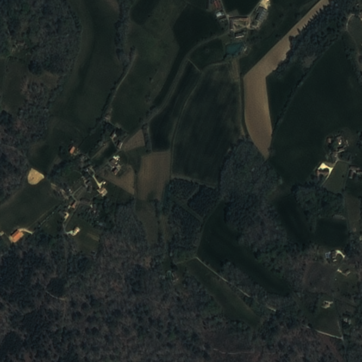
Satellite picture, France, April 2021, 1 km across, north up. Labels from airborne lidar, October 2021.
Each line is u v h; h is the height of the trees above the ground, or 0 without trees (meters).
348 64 0
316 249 19
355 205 0
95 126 7
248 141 22
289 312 11
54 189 0
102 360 18
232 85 0
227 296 0
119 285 17
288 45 0
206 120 0
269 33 0
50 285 8
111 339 21
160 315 8
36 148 0
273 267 10
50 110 11
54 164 0
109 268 18
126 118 0
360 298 13
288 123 0
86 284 23
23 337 10
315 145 0
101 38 0
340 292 16
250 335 16
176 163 0
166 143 0
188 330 23
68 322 12
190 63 0
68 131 0
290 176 0
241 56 14
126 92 0
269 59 0
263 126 0
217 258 0
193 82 0
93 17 0
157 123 0
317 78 0
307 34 12
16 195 0
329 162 0
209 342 0
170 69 0
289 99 11
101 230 13
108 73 0
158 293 17
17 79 0
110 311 14
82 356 14
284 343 10
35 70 26
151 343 12
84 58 0
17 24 25
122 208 25
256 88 0
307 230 0
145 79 0
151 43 0
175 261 21
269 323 7
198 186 14
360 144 10
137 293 16
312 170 0
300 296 16
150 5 0
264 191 16
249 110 0
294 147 0
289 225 0
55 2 22
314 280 0
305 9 0
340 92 0
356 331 9
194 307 8
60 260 11
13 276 18
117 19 0
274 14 0
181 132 0
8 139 7
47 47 22
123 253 18
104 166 0
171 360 17
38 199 0
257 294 8
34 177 0
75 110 0
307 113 0
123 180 0
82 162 7
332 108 0
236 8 0
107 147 0
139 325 20
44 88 18
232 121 0
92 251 0
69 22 20
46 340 21
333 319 0
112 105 0
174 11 0
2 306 13
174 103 0
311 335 8
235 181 24
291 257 25
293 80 0
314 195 24
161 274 15
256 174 24
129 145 0
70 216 0
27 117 23
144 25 0
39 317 8
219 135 0
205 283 0
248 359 0
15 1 24
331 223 0
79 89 0
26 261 17
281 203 0
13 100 0
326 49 9
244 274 14
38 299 11
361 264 10
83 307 12
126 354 17
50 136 0
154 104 0
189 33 0
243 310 0
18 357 14
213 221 0
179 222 7
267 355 15
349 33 0
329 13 8
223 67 0
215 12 10
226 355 0
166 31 0
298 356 21
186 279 10
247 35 0
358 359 14
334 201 19
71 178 0
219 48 0
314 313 14
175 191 11
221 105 0
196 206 15
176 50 0
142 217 6
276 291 0
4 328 21
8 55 22
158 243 7
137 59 0
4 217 0
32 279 12
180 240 12
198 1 0
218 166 0
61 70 22
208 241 0
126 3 21
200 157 0
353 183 0
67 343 16
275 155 7
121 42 24
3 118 19
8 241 0
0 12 23
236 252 0
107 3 0
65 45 13
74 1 0
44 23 19
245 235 17
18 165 20
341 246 0
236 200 27
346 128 0
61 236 7
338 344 7
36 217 0
